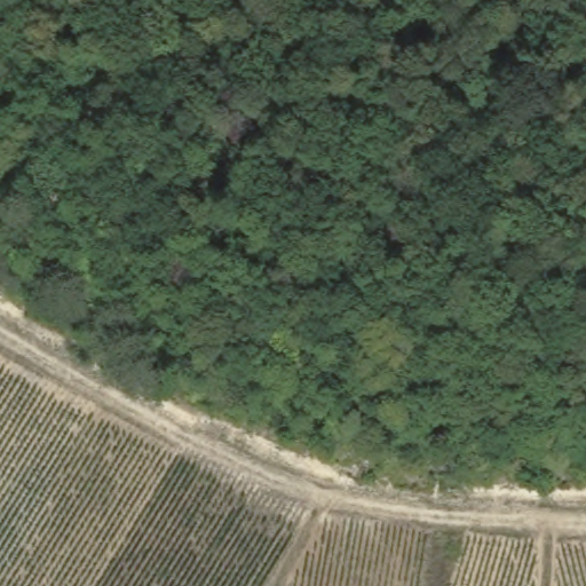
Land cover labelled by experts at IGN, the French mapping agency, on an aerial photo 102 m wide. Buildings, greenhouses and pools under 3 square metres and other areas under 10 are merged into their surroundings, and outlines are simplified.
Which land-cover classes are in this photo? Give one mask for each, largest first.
<instances>
[{"label":"deciduous trees","instance_id":"1","mask_svg":"<svg viewBox=\"0 0 586 586\"><path fill-rule=\"evenodd\" d=\"M0 256H5V261L25 279H32L34 275L39 279H48L55 275L60 282H66L89 266L92 277H96L98 286L96 298L101 300H117L137 293V318H147L163 327L158 334L163 336V346L158 348V357L151 366L163 375L158 385L160 389L151 401H169L190 412H204L213 417L227 419L238 428H247L254 435L268 437L293 453L318 458L320 462L336 467L339 474L357 483L378 481L380 485H394L407 492H433L435 485H440V492L460 490L465 485H520L536 492L586 488V0H0Z\"/></svg>","mask_w":586,"mask_h":586},{"label":"vineyard","instance_id":"2","mask_svg":"<svg viewBox=\"0 0 586 586\"><path fill-rule=\"evenodd\" d=\"M320 513L318 508H314L307 524H293L282 515H261L250 510L245 492H236L233 483H220L213 472L199 469V465L195 462L183 456L176 458L174 453H165L160 451V446L128 435L114 423L94 421V414H85L62 401H55V396L41 391L39 387L30 385L18 375L7 373L0 366V586H586V533H559L552 531L547 524H536L533 529H508L478 524L444 526L421 520L396 517L387 520L385 524L373 529L348 524V531H339L334 524L318 522Z\"/></svg>","mask_w":586,"mask_h":586},{"label":"herbaceous vegetation","instance_id":"3","mask_svg":"<svg viewBox=\"0 0 586 586\"><path fill-rule=\"evenodd\" d=\"M0 325L11 330L21 339L34 343L43 353L78 366V362L66 350L62 334L27 318L21 307L0 295ZM0 366L7 373L18 375L30 385L39 387L41 391L55 396V401H62L85 414H94V421L114 423L128 435L160 446V451L165 453H174L176 458L183 456L179 444H174L167 435L130 417L126 410L105 403L96 391L85 389L78 380H66L48 371L43 364L0 343ZM195 435H204L213 442H220L222 446L236 451L254 465L309 483L318 490L398 501L407 506H426L437 510H552L568 515H586V488L536 492L520 485H465L460 490L440 492V485H435L433 492H407L394 485H380L378 481L357 483L339 474L336 467L320 462L318 458L293 453L268 437L254 435L247 428H238L227 419L213 417L206 426H195ZM195 462L199 465V469L213 472L220 483H233L236 492H245V483L233 481V476L227 472H220V465L208 462L204 458H197ZM250 510L261 515H282L293 524H307L314 508H318L320 513L318 522L334 524L339 531H348V524L373 529L385 524L387 520L369 510L336 508L332 504L316 506V501H311L309 497H293L282 490L245 492Z\"/></svg>","mask_w":586,"mask_h":586},{"label":"pervious surface","instance_id":"4","mask_svg":"<svg viewBox=\"0 0 586 586\"><path fill-rule=\"evenodd\" d=\"M0 343L43 364L48 371L66 380H78L85 389L96 391L105 403L126 410L130 417L167 435L174 444H179L183 456L195 462L197 458H204L208 462L220 465V472H227L233 476V481L245 483V492L282 490L293 497H309L311 501H316V506L332 504L336 508L369 510L387 520L396 517L421 520L444 526L478 524L508 529H533L536 524H547L552 531L559 533H586V515H568L552 510H437L426 506H407L398 501L318 490L309 483L254 465L236 451L222 446L220 442H213L204 435H195V426H206L213 417L204 412H190L169 401H133L119 389L89 378L78 366L43 353L34 343L21 339L11 330L0 325Z\"/></svg>","mask_w":586,"mask_h":586},{"label":"coniferous trees","instance_id":"5","mask_svg":"<svg viewBox=\"0 0 586 586\"><path fill-rule=\"evenodd\" d=\"M0 295L21 307L27 318L62 334L66 350L78 362V366L89 378L119 389L133 401H151L160 389L158 385L163 375L151 366L158 357V348L163 346V336L158 334L163 327L147 318H137V293L117 300H101L96 298L98 286L96 277H92L89 266L66 282H60L55 275L48 279H39L34 275L32 279H25L5 261V256H0Z\"/></svg>","mask_w":586,"mask_h":586}]
</instances>
